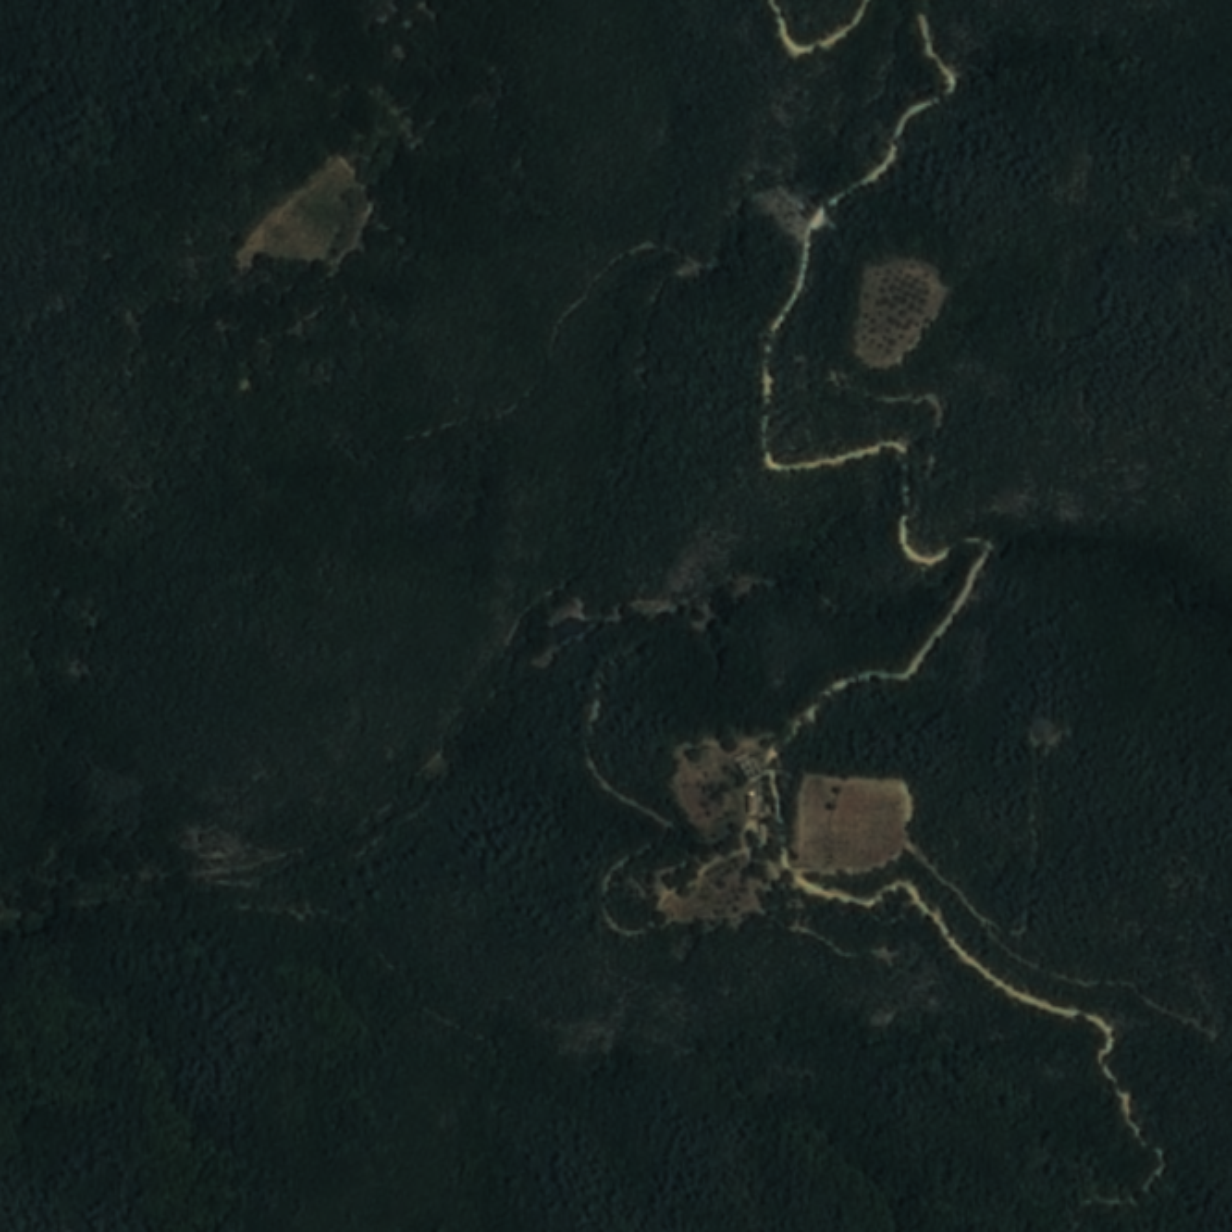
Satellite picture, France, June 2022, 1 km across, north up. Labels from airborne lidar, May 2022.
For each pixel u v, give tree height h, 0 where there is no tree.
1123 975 8
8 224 7
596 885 10
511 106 11
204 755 7
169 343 15
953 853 6
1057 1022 8
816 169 9
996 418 6
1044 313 8
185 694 11
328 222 0
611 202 8
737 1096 11
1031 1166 10
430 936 6
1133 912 6
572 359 7
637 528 8
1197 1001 6
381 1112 6
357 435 11
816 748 6
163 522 15
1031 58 19
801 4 5
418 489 12
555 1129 5
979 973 7
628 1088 7
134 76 10
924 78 11
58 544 13
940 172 7
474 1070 7
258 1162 12
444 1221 10
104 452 12
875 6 10
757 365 8
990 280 8
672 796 9
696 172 5
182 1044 13
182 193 12
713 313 8
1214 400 6
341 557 15
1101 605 7
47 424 10
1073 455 6
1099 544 13
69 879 13
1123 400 8
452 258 9
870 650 7
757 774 6
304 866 11
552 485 8
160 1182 12
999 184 12
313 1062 13
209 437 12
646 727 15
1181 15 8
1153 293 15
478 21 14
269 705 7
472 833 8
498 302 8
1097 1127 11
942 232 6
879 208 7
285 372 14
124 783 8
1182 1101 8
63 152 16
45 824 15
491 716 9
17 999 12
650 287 10
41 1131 12
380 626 8
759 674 9
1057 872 13
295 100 13
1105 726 8
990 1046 8
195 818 7
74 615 17
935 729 17
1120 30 7
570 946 11
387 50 10
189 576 10
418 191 14
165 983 15
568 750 8
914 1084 9
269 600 9
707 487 10
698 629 8
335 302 12
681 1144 11
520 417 6
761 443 7
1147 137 13
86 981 12
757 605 10
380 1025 9
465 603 7
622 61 8
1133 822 8
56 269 6
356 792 6
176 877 9
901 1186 14
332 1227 7
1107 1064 9
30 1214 15
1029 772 7
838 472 8
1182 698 9
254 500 9
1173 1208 12
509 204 11
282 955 9
